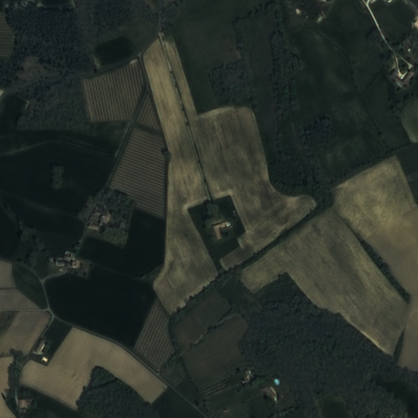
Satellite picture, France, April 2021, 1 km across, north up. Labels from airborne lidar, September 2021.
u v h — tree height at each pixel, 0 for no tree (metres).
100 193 16
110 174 0
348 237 0
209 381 0
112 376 13
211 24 0
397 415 19
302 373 21
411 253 0
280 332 15
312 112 0
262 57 0
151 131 0
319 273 0
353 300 0
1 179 0
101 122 0
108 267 0
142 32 0
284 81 19
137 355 0
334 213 0
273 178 7
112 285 0
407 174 0
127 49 0
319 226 0
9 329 0
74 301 0
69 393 0
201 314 0
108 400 18
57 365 0
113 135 0
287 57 22
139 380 0
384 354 15
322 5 0
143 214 0
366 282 0
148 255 0
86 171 0
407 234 0
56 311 0
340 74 0
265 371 19
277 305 12
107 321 0
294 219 0
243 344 14
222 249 0
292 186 6
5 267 0
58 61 12
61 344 0
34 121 16
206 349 0
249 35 0
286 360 19
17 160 0
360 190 0
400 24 0
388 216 0
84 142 0
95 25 10
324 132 14
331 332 17
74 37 15
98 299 0
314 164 16
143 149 0
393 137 0
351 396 19
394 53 16
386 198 0
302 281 0
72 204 0
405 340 0
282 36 20
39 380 0
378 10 0
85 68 20
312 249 0
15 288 0
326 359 21
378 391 20
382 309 0
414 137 0
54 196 0
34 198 0
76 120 20
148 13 19
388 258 0
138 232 0
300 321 20
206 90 0
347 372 21
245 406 7
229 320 0
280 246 0
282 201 0
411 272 0
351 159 0
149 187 0
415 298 0
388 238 0
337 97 0
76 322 0
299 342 19
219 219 21
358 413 17
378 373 17
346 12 0
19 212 0
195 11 0
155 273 8
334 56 0
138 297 0
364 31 0
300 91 0
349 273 0
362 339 9
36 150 0
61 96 18
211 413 7
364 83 0
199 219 0
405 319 0
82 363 0
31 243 0
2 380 0
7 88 10
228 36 0
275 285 7
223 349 0
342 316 11
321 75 0
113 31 20
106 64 0
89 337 0
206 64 0
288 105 12
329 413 0
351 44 0
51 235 0
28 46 14
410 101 15
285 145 7
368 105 0
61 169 16
